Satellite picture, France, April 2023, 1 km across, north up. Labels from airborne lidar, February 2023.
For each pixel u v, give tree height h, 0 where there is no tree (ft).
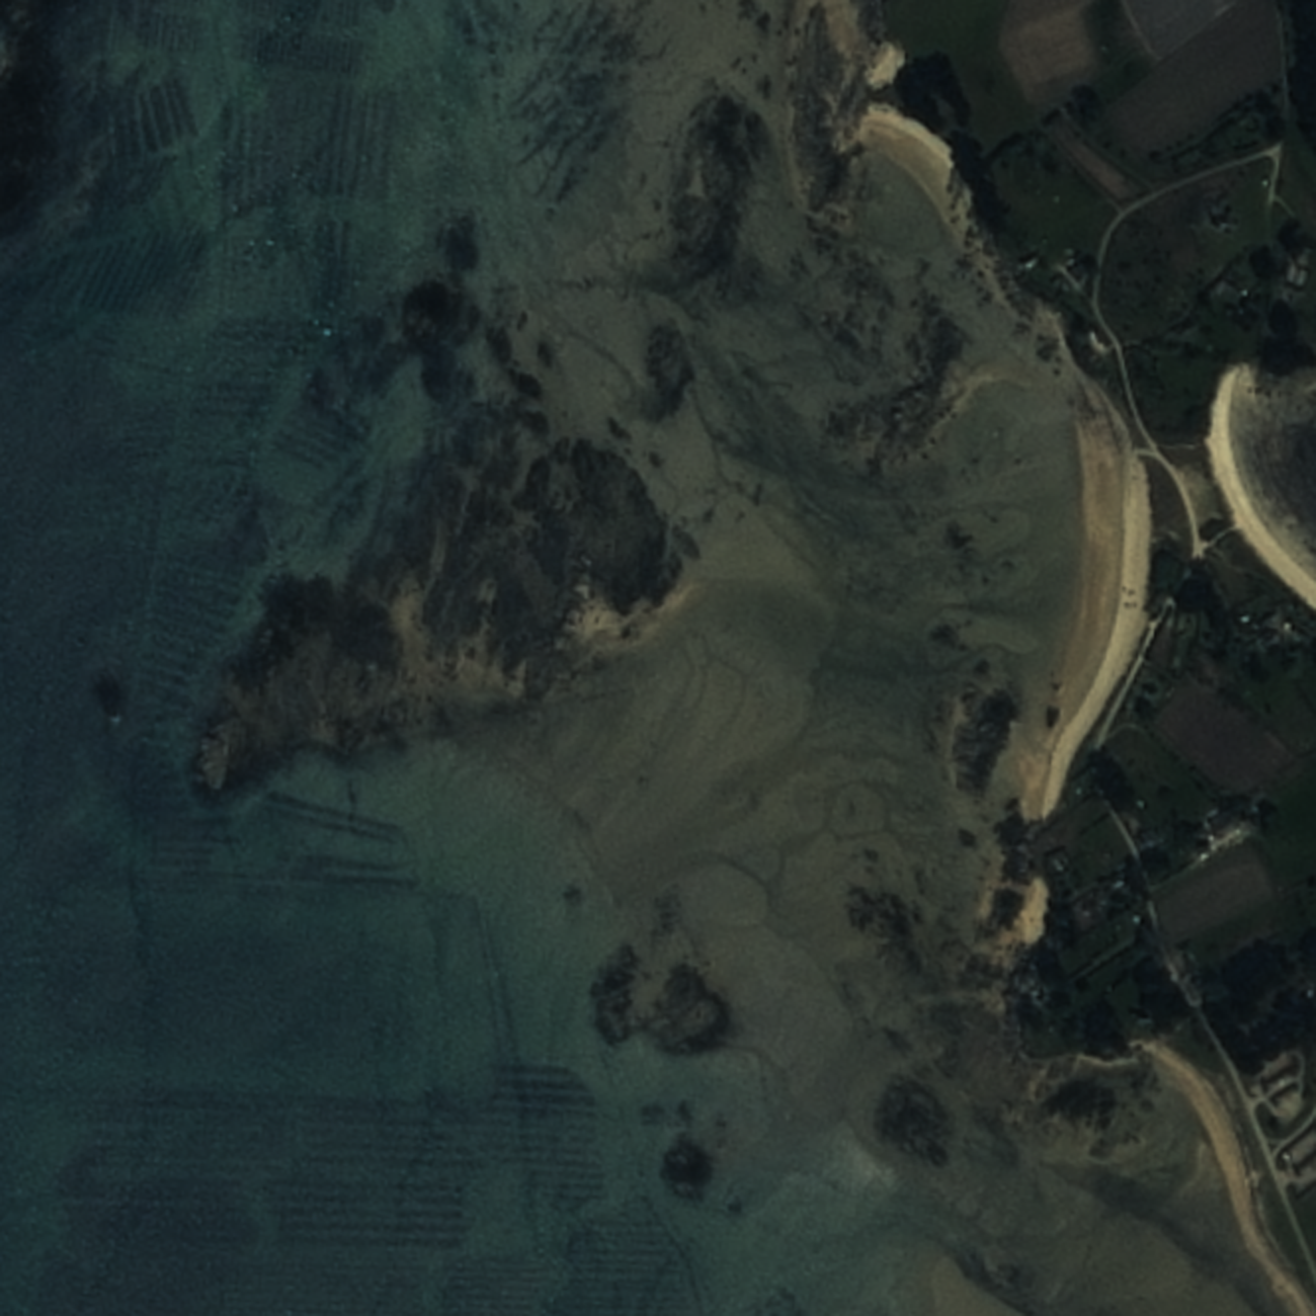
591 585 0
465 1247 0
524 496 0
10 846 0
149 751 0
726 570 0
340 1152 0
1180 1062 0
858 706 0
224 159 0
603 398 0
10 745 0
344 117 0
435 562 0
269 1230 0
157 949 0
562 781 0
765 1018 0
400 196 0
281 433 0
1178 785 0
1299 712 0
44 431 0
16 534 0
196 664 0
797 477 0
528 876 0
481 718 0
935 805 0
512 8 0
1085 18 0
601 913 0
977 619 0
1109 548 0
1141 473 0
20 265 0
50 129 0
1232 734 0
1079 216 0
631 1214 0
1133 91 0
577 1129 0
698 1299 0
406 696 0
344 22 0
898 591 0
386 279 0
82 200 0
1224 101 0
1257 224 0
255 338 0
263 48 0
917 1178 0
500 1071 0
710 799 0
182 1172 0
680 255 0
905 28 0
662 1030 0
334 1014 0
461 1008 0
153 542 0
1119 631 0
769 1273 0
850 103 0
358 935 0
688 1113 0
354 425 0
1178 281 0
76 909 0
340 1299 0
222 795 0
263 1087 0
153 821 0
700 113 0
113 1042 0
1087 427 0
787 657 0
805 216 0
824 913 0
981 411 0
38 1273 0
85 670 0
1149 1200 0
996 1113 0
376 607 0
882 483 0
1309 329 0
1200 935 0
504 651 0
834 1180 0
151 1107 0
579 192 0
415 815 0
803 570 0
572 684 0
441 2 0
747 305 0
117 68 0
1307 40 42
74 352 0
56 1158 0
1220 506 0
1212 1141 0
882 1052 0
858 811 0
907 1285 0
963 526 0
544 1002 0
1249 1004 61
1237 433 0
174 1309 0
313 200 0
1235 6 0
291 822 0
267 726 0
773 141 0
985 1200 0
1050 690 0
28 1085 0
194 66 0
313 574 0
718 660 0
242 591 0
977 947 0
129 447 0
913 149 0
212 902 0
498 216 0
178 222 0
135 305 0
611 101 0
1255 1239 0
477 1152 0
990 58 0
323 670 0
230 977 0
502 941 0
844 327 0
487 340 0
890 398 0
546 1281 0
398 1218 0
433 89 0
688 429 0
